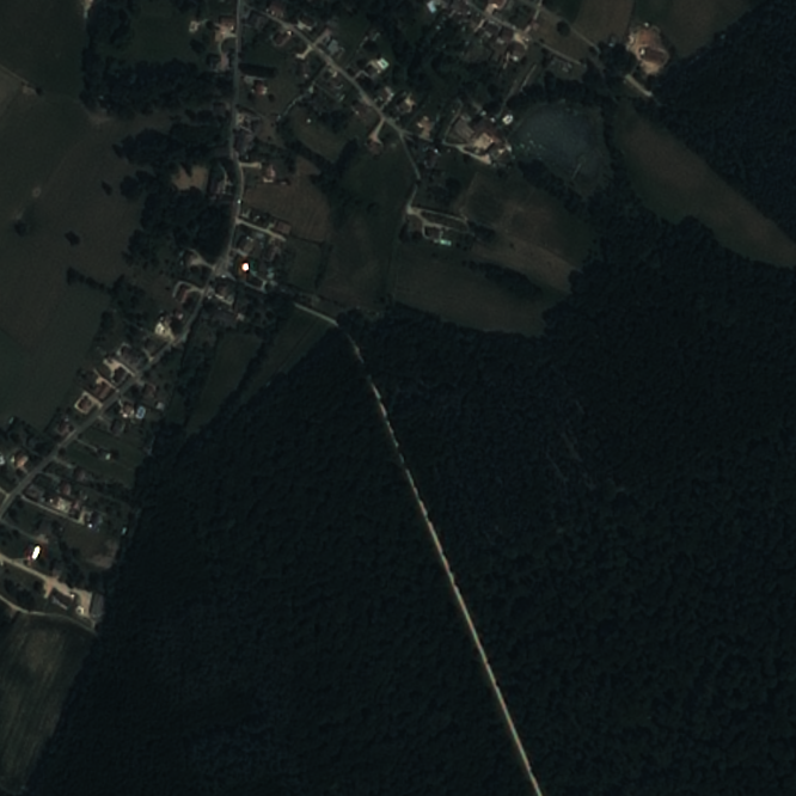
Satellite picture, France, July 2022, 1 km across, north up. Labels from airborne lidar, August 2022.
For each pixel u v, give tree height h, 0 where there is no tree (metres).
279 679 23
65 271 0
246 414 18
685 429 29
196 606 23
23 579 0
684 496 26
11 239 0
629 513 30
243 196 0
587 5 0
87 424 0
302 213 0
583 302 13
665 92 11
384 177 0
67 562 15
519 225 0
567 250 0
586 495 23
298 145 16
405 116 6
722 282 23
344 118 14
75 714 18
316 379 21
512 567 22
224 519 25
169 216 19
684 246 22
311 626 19
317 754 23
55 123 0
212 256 10
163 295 0
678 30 0
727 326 21
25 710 0
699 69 25
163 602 13
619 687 24
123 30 37
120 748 15
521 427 24
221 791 12
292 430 18
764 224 0
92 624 0
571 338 23
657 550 29
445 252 0
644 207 14
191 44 0
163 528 8
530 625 22
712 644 28
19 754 0
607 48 14
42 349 0
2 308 0
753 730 28
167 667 18
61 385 0
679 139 10
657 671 23
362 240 0
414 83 10
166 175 11
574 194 15
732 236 0
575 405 23
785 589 25
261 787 11
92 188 0
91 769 19
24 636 0
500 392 20
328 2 8
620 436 28
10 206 0
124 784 13
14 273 0
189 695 22
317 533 24
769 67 23
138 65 0
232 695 10
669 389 25
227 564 24
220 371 0
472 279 0
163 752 19
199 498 18
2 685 0
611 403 25
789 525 24
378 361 24
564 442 22
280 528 22
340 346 20
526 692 21
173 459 18
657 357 27
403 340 27
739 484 24
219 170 15
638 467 25
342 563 27
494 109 16
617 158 14
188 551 9
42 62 0
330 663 26
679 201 0
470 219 0
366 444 20
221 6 0
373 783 22
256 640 22
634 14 0
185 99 28
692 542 27
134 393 9
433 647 17
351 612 24
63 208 0
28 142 0
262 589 24
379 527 24
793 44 23
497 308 0
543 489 23
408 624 22
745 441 22
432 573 21
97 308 0
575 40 0
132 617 19
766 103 26
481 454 20
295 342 0
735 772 29
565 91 20
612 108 17
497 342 21
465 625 6
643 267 25
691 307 26
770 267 15
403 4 16
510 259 0
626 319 26
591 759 21
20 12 0
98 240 0
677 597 22
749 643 29
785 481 25
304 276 0
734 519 23
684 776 26
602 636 31
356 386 24
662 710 28
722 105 25
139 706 20
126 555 7
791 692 26
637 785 28
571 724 24
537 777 21
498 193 0
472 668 20
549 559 26
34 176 0
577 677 26
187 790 21
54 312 0
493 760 19
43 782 22
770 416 27
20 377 0
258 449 24
